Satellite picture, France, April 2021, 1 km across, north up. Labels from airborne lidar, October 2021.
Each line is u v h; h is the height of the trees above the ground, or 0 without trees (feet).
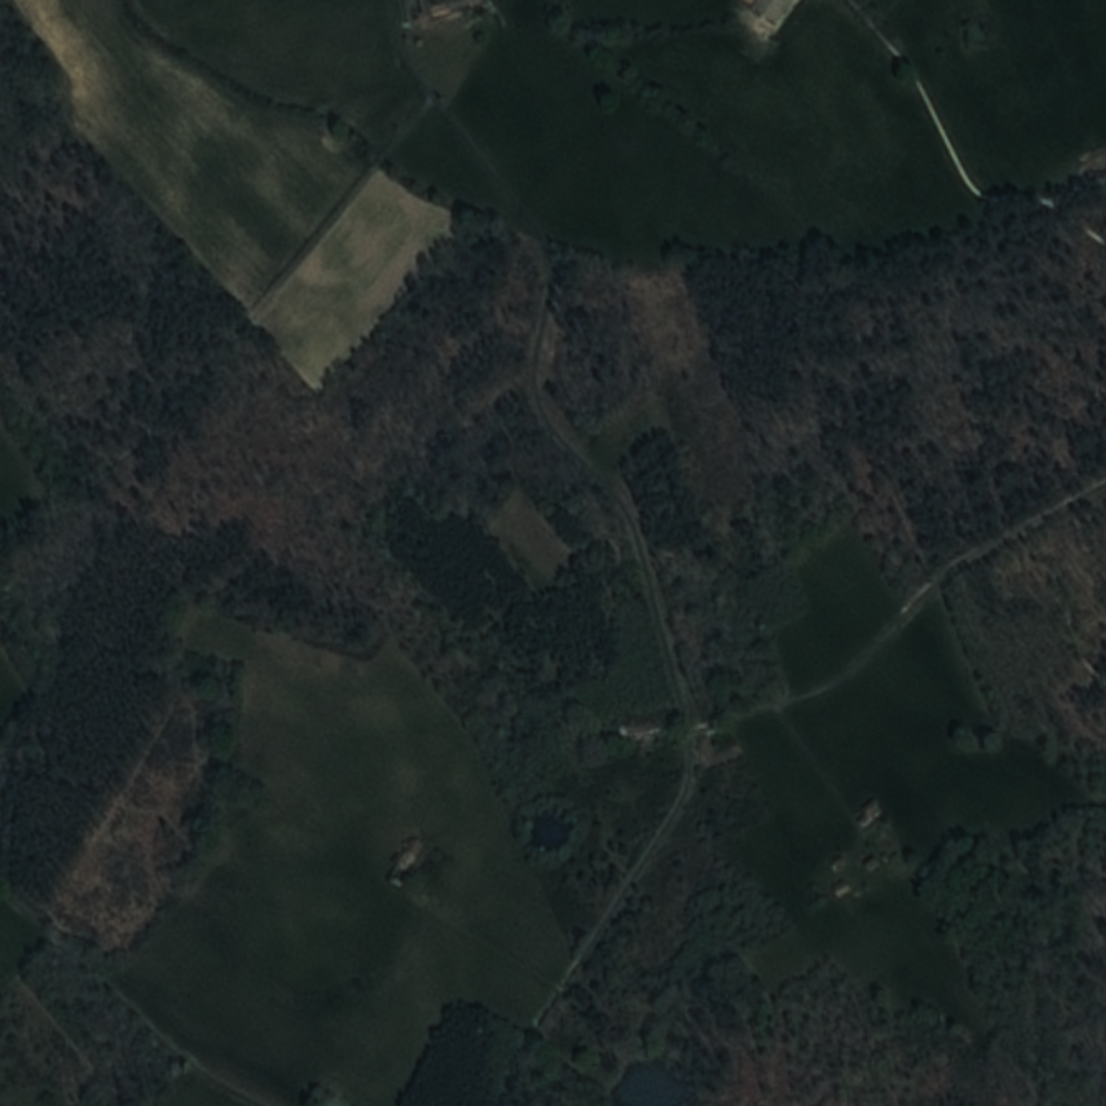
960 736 59
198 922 0
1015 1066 62
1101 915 47
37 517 77
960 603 52
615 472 26
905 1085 56
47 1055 17
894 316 29
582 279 76
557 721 27
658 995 21
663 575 39
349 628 24
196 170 0
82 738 63
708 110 0
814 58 0
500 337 37
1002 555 44
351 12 0
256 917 0
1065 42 0
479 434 44
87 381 21
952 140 0
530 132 0
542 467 30
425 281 48
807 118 0
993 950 71
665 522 41
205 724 28
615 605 27
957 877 68
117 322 72
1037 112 0
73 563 44
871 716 0
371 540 42
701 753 0
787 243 0
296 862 0
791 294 83
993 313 45
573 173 0
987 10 0
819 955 0
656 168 0
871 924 0
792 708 0
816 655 0
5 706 0
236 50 0
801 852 0
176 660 70
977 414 81
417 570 35
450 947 0
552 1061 89
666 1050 45
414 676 0
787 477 34
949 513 82
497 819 0
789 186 0
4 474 0
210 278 50
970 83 0
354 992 0
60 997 57
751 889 25
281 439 0
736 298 62
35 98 58
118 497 26
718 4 0
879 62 0
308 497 30
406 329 22
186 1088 0
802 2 0
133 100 0
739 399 87
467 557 46
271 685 0
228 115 0
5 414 73
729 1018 81
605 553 31
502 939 0
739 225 0
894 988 0
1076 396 38
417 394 51
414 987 0
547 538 0
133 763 65
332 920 0
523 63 0
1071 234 36
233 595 28
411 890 43
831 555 0
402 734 0
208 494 48
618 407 46
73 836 69
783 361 89
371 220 0
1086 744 50
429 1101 44
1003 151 0
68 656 77
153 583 68
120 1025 49
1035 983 77
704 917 29
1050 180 0
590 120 0
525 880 0
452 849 0
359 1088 0
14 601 38
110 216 46
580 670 31
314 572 43
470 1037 47
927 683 0
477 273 65
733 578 28
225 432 41
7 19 62
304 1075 0
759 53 0
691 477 31
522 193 0
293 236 0
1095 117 0
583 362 27
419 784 0
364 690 0
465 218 73
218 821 65
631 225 0
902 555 50
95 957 70
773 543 41
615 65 54
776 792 0
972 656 54
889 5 0
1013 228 63
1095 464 55
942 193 0
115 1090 31
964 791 0
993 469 67
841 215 0
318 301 0
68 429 40
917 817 0
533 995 0
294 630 24
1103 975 78
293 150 0
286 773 0
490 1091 40
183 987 0
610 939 26
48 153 33
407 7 0
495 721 54
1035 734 53
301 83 0
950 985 0
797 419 61
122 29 0
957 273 65
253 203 0
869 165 0
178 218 0
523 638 43
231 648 0
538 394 0
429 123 0
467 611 45
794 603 41
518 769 41
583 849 29
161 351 69
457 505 48
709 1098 78
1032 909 75
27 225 23
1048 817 0
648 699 27
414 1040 0
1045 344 60
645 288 0
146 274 55
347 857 0
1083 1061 74
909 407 80
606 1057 30
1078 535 63
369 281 0
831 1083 31
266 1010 0
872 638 0
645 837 20
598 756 83
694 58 0
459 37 0
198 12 0
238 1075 0
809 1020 33
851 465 73
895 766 0
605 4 0
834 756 0
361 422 74
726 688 68
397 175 47
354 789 0
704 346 0
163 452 61
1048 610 51
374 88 0
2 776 42
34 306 73
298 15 0
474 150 0
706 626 46
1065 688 45
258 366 53
